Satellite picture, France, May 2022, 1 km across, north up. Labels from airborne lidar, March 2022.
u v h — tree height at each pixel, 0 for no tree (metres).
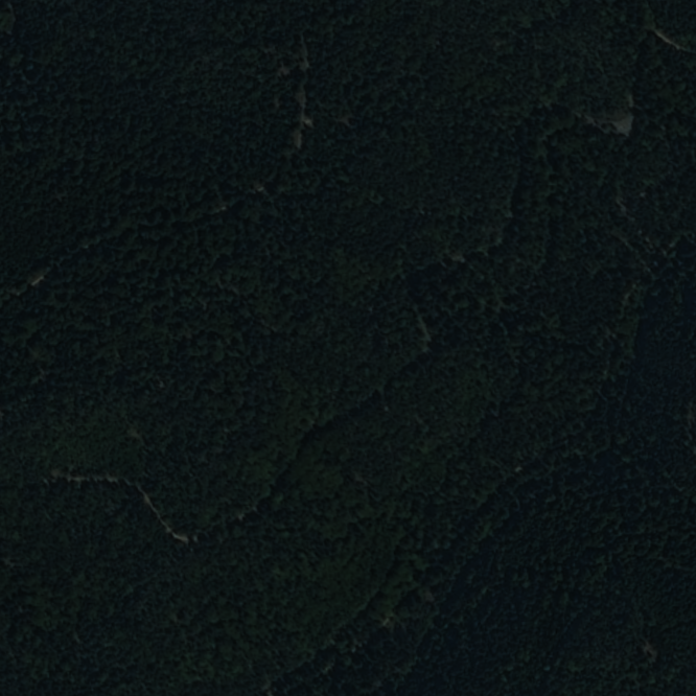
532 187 32
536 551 13
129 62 22
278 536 18
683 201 25
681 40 19
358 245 30
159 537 16
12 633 26
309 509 33
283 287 28
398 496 15
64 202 8
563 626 23
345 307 32
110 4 22
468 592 38
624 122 0
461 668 30
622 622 28
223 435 18
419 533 18
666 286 26
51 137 32
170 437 7
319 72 21
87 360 20
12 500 27
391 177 26
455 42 27
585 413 33
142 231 21
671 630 7
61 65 33
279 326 33
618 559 12
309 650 7
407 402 26
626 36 28
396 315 34
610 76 23
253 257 30
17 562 31
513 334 33
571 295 36
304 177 17
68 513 12
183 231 21
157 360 21
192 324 19
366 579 21
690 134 7
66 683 30
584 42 27
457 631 20
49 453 9
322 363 27
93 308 25
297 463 31
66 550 29
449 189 26
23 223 12
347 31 28
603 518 21
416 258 23
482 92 32
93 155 32
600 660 15
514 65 31
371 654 35
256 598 28
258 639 29
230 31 22
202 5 24
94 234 19
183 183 27
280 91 11
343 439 29
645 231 28
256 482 26
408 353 24
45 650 27
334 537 18
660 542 17
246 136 17
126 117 29
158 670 21
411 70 24
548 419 20
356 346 28
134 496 28
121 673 16
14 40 12
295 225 26
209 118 28
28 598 32
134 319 27
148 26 9
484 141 35
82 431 10
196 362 32
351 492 36
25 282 16
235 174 9
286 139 26
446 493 30
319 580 19
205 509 27
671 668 23
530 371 33
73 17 25
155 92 20
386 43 26
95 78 30
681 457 18
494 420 29
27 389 16
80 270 28
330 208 24
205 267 19
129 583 27
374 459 28
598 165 26
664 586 19
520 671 13
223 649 30
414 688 18
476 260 26
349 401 21
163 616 25
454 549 39
